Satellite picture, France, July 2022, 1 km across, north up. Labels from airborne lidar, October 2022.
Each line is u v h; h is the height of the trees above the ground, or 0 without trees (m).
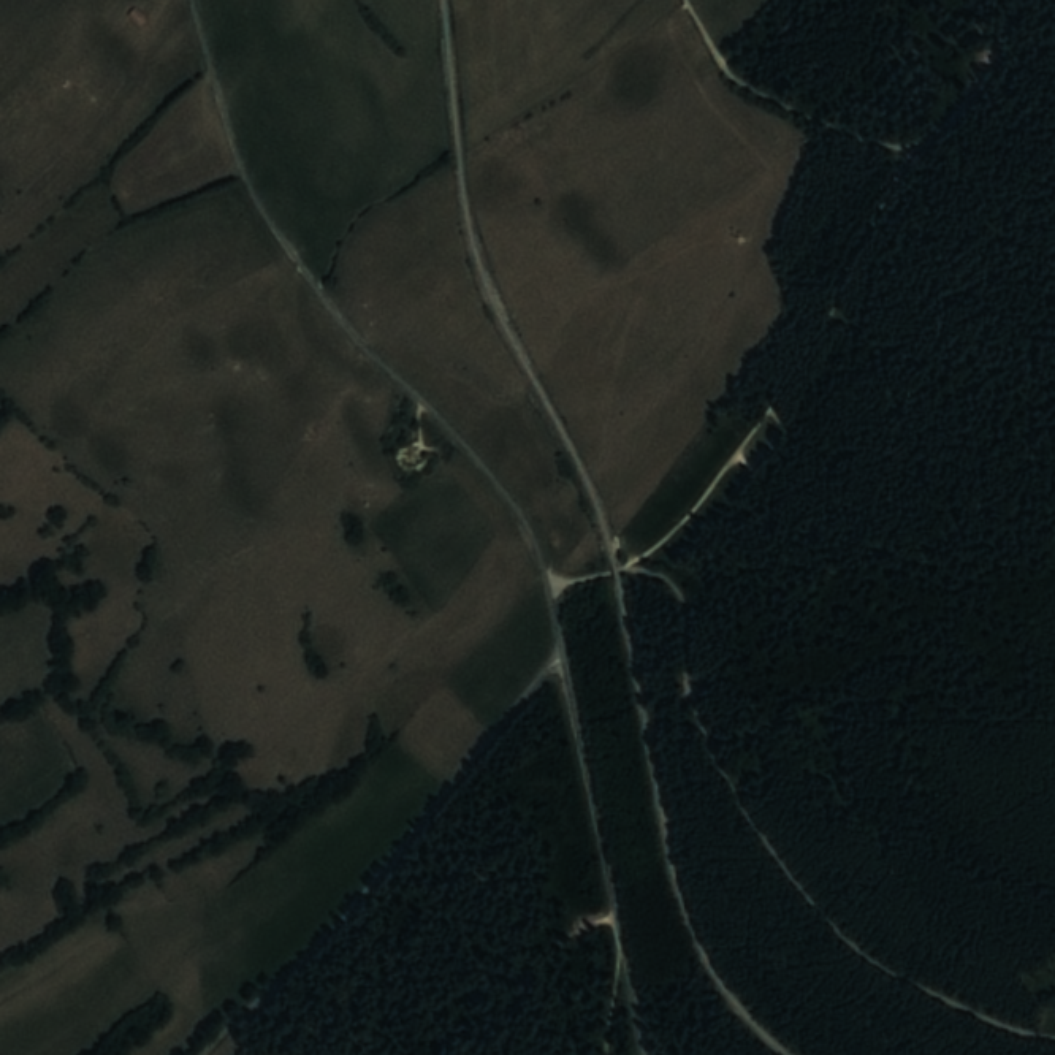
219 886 0
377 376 0
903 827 17
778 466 24
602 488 0
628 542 0
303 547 0
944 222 30
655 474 0
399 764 0
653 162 0
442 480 0
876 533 30
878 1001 24
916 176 29
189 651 0
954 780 13
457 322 0
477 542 0
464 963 26
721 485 0
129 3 0
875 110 35
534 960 28
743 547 24
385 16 0
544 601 0
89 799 0
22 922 0
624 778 17
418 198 0
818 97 17
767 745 20
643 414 0
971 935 20
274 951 0
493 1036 32
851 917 19
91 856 0
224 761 14
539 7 0
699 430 0
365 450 0
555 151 0
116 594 0
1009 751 16
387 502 0
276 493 0
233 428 0
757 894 19
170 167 0
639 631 28
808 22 21
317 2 0
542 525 0
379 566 0
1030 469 24
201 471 0
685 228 0
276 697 0
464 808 9
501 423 0
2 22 0
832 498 25
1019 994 22
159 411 0
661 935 19
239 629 0
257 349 0
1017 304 27
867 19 16
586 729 11
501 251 0
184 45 0
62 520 13
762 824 19
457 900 27
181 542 0
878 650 7
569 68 0
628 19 0
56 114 0
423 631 0
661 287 0
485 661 0
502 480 0
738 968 19
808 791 18
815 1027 20
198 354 0
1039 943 27
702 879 19
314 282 0
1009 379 29
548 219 0
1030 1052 18
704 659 27
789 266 23
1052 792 15
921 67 46
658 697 22
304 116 0
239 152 0
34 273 0
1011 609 7
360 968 31
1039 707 15
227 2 0
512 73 0
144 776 0
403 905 28
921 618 9
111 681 8
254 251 0
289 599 0
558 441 0
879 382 26
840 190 29
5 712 12
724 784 25
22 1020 0
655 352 0
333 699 0
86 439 0
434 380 0
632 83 0
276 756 0
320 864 0
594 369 0
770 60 21
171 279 0
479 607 0
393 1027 33
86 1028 0
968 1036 21
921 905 20
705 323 0
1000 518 25
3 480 0
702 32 0
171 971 0
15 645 0
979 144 28
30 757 0
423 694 0
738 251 0
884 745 23
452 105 0
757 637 9
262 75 0
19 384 0
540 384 0
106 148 0
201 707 0
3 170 0
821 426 20
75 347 0
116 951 0
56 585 20
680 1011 14
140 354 0
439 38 0
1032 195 27
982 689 15
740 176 0
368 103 0
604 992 21
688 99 0
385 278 0
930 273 25
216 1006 0
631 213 0
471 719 0
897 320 28
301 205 0
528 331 0
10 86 0
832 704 19
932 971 21
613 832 14
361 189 0
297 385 0
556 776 6
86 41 0
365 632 0
